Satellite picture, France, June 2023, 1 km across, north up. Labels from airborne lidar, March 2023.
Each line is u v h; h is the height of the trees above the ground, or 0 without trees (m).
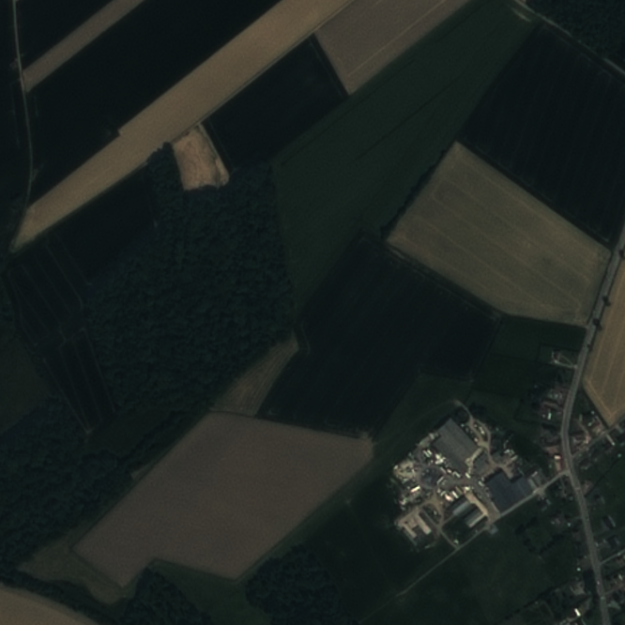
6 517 25
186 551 0
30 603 0
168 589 13
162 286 29
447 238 0
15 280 0
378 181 0
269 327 26
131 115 0
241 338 28
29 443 23
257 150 0
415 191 13
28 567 0
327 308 0
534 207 0
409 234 0
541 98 0
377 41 0
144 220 0
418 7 0
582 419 0
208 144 0
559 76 0
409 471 0
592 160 0
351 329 0
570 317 0
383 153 0
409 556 0
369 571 0
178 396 24
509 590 0
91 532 0
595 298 0
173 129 0
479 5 0
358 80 0
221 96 0
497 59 0
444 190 0
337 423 0
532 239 0
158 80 0
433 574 0
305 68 0
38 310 0
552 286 0
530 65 0
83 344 0
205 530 0
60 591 14
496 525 0
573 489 0
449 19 0
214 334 28
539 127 0
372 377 0
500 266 0
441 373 0
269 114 0
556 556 0
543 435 0
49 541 21
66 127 0
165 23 0
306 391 0
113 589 0
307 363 0
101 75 0
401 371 0
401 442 0
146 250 21
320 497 0
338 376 0
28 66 0
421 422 0
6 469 23
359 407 0
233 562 0
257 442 0
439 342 0
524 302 0
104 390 0
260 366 0
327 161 0
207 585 0
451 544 0
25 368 0
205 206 26
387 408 0
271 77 0
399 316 0
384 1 0
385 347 0
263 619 0
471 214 0
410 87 0
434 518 0
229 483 0
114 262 0
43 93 0
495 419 0
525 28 0
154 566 0
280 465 0
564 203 0
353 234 0
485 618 0
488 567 0
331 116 0
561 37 0
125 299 23
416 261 0
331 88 0
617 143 0
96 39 0
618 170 0
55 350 0
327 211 0
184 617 0
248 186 23
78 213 0
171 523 0
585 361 0
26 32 0
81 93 0
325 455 0
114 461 21
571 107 0
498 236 0
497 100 0
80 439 22
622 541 0
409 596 0
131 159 0
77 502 31
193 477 0
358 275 0
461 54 0
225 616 0
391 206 0
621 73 0
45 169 0
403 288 0
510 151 0
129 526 0
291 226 0
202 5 0
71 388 0
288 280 21
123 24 0
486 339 0
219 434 0
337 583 0
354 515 0
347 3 0
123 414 19
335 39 0
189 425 0
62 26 0
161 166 21
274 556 0
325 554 0
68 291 0
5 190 0
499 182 0
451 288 0
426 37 0
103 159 0
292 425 0
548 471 0
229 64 0
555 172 0
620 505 0
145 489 0
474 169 0
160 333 28
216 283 28
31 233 0
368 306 0
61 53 0
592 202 0
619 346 0
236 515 0
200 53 0
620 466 0
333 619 23
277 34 0
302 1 0
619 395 0
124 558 0
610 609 0
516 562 0
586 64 0
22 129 0
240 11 0
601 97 0
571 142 0
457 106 0
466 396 0
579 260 0
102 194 0
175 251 32
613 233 0
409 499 0
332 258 0
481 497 0
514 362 0
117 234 0
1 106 0
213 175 0
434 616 0
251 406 0
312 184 0
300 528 0
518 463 0
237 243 25
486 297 0
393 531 0
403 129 0
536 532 0
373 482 0
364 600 0
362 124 0
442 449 0
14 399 0
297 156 0
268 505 0
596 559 0
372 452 0
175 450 0
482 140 0
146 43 0
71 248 0
